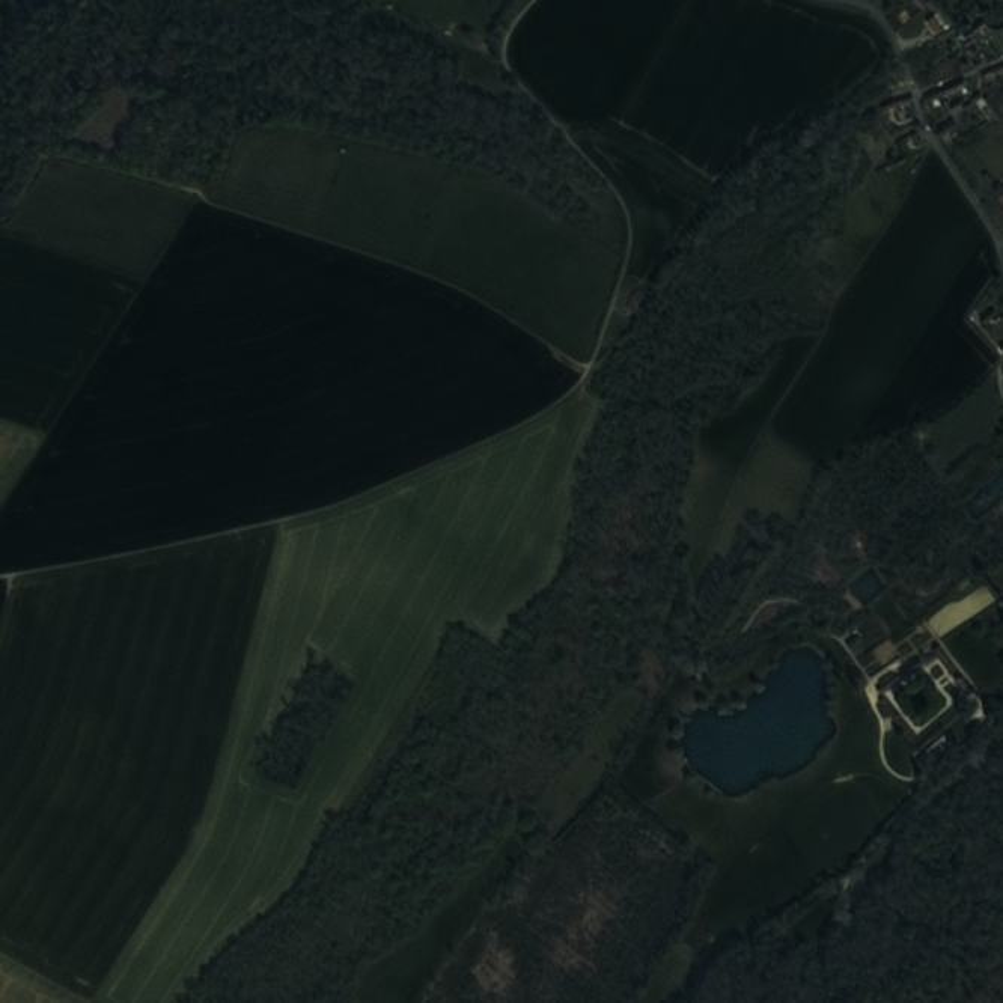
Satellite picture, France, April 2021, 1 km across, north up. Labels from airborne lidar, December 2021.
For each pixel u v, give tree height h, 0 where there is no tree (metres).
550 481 0
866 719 0
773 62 0
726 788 0
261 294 0
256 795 0
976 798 23
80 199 0
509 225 0
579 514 13
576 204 8
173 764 0
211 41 22
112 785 0
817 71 0
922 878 23
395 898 14
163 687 0
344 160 0
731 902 0
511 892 21
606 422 17
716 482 0
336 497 0
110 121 0
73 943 0
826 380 0
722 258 7
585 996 10
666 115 0
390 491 0
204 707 0
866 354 0
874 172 19
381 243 0
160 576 0
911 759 0
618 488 25
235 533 0
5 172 11
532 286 0
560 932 9
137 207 0
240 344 0
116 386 0
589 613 13
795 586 7
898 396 0
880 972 22
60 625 0
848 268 0
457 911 0
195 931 0
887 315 0
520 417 0
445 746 14
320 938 16
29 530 0
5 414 0
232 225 0
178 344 0
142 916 0
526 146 14
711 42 0
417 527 0
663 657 18
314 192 0
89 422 0
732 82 0
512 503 0
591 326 0
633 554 17
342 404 0
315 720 17
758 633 7
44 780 0
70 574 0
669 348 22
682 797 0
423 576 0
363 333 0
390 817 16
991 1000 20
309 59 25
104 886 0
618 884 7
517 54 0
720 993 29
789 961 31
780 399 0
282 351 0
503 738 17
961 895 19
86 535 0
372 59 28
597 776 0
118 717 0
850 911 23
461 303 0
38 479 0
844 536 8
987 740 19
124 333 0
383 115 12
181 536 0
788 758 0
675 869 9
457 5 0
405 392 0
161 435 0
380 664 0
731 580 36
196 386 0
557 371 0
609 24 0
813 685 0
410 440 0
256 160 0
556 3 0
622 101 0
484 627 0
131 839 0
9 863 0
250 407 0
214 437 0
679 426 21
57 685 0
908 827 20
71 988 0
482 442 0
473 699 15
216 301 0
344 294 0
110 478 0
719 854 0
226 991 20
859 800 0
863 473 13
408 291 0
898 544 6
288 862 0
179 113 27
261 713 0
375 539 0
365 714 0
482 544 0
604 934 8
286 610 0
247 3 9
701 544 0
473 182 0
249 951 18
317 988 24
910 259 0
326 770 0
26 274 0
